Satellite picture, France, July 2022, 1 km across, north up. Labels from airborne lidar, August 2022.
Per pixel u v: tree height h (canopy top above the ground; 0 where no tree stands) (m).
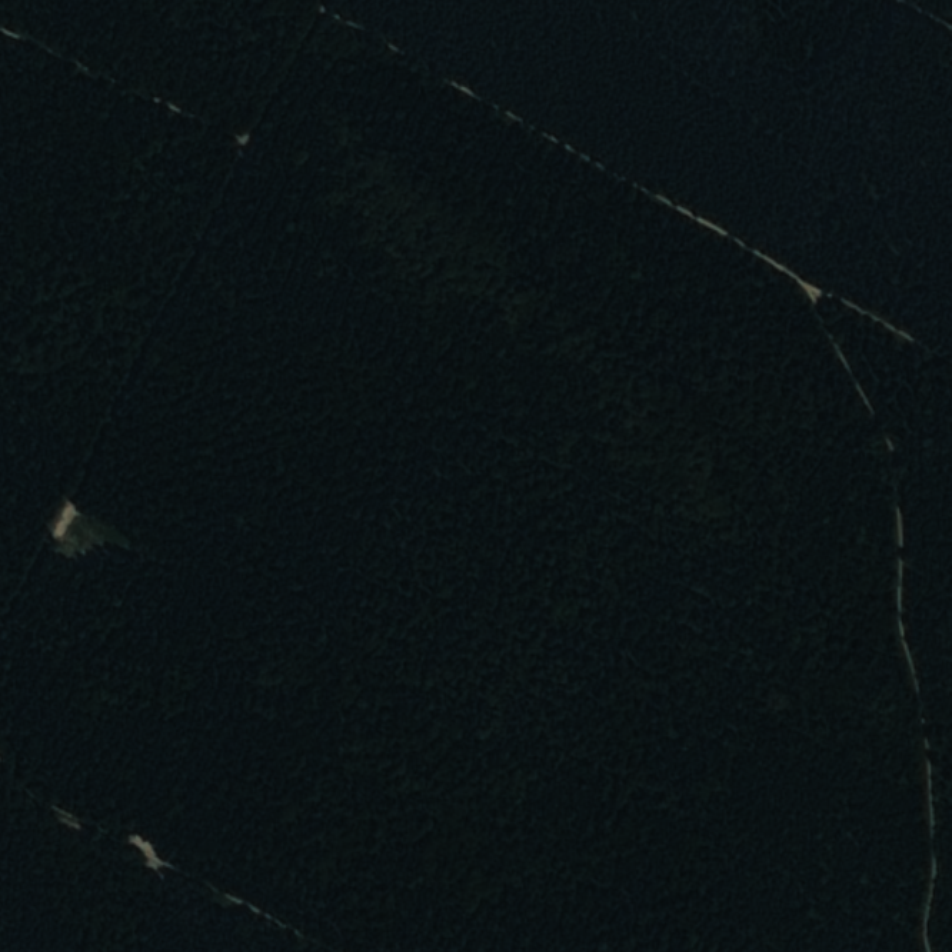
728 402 18
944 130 26
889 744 12
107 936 21
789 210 34
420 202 22
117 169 20
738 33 36
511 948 8
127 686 19
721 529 20
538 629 20
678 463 19
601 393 19
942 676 14
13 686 17
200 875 16
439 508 9
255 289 18
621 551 18
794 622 17
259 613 21
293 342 20
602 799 9
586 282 18
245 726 13
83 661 10
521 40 29
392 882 16
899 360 11
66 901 21
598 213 16
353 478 21
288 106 15
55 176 20
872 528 15
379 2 32
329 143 16
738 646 17
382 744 17
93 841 19
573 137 30
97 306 23
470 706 15
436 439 11
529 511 18
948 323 28
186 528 20
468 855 17
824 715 9
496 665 8
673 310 17
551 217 17
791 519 15
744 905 16
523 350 10
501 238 20
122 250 18
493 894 21
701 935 18
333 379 17
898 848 14
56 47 21
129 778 21
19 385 15
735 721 16
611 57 30
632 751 19
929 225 29
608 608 18
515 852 15
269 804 17
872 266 28
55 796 19
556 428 14
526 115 28
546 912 18
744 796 16
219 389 16
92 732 19
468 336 16
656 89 28
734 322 17
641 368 22
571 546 19
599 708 19
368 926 20
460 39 30
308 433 13
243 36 17
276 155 16
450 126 20
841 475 17
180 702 17
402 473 18
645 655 18
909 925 7
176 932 24
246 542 23
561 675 17
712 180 30
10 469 18
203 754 12
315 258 20
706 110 31
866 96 29
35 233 18
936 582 11
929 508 14
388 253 14
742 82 28
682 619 16
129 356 18
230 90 18
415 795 16
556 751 17
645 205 19
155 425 17
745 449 17
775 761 13
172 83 21
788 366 18
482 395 16
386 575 17
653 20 29
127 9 20
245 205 17
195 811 17
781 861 15
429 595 11
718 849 10
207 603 18
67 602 22
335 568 22
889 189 28
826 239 32
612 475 13
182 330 17
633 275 20
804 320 18
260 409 17
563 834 16
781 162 33
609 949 17
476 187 19
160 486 19
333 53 16
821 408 7
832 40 19
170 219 11
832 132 34
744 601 18
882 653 10
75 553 0
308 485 17
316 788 20
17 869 21
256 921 22
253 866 15
